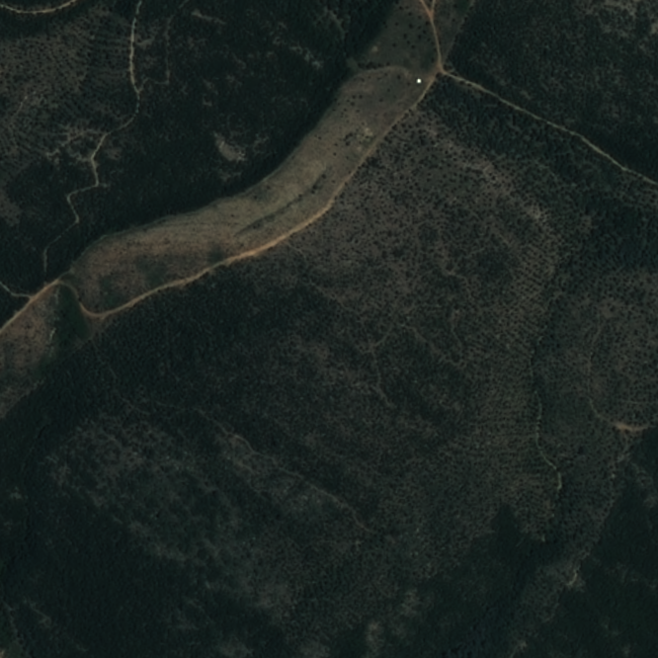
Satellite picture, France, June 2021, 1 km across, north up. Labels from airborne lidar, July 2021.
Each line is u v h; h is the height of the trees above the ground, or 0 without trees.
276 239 0
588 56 10
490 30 8
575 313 0
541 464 9
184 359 6
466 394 8
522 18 7
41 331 0
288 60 7
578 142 13
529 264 8
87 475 6
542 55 7
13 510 6
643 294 8
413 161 7
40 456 6
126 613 7
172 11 7
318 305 8
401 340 6
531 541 10
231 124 6
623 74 5
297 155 0
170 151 7
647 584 8
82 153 6
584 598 6
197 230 0
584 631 10
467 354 6
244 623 8
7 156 9
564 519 7
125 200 6
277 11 7
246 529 8
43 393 8
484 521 6
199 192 11
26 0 6
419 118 7
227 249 0
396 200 5
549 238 6
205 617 7
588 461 7
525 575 11
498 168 11
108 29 7
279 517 12
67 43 8
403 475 11
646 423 9
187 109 7
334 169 0
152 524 8
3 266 8
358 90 0
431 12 0
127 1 7
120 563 6
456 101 11
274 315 6
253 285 7
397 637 8
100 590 7
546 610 7
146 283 0
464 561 6
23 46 10
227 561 6
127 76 6
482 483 8
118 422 5
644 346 7
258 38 7
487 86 6
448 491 6
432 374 8
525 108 6
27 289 7
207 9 7
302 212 0
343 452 9
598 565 6
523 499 9
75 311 0
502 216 8
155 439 6
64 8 9
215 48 6
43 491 6
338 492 5
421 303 7
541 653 6
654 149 9
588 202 6
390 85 0
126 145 7
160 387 10
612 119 7
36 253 6
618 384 8
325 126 0
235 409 7
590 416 9
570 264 13
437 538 6
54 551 5
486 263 8
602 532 6
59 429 6
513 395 6
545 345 7
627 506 9
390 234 6
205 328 6
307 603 8
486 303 6
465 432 8
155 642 6
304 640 7
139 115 6
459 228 7
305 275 8
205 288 10
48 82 7
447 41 0
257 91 7
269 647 8
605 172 8
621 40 8
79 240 11
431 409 8
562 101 7
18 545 7
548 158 14
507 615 7
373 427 7
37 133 7
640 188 9
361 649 7
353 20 8
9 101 7
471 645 12
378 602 6
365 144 0
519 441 8
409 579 8
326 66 8
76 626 7
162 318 6
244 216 0
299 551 8
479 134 11
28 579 6
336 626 6
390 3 10
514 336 7
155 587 6
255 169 10
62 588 6
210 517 6
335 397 6
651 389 12
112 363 10
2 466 7
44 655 7
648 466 6
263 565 8
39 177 6
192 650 6
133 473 6
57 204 7
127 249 0
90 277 0
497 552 9
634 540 9
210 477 8
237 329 8
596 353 6
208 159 9
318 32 10
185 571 7
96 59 11
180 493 6
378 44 0
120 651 8
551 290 9
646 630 12
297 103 7
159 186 8
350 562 7
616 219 7
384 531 9
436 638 9
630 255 12
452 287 7
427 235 7
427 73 0
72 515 7
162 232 0
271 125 6
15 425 5
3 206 7
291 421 6
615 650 10
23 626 6
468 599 7
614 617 11
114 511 6
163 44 6
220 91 7
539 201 7
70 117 7
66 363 8
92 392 8
